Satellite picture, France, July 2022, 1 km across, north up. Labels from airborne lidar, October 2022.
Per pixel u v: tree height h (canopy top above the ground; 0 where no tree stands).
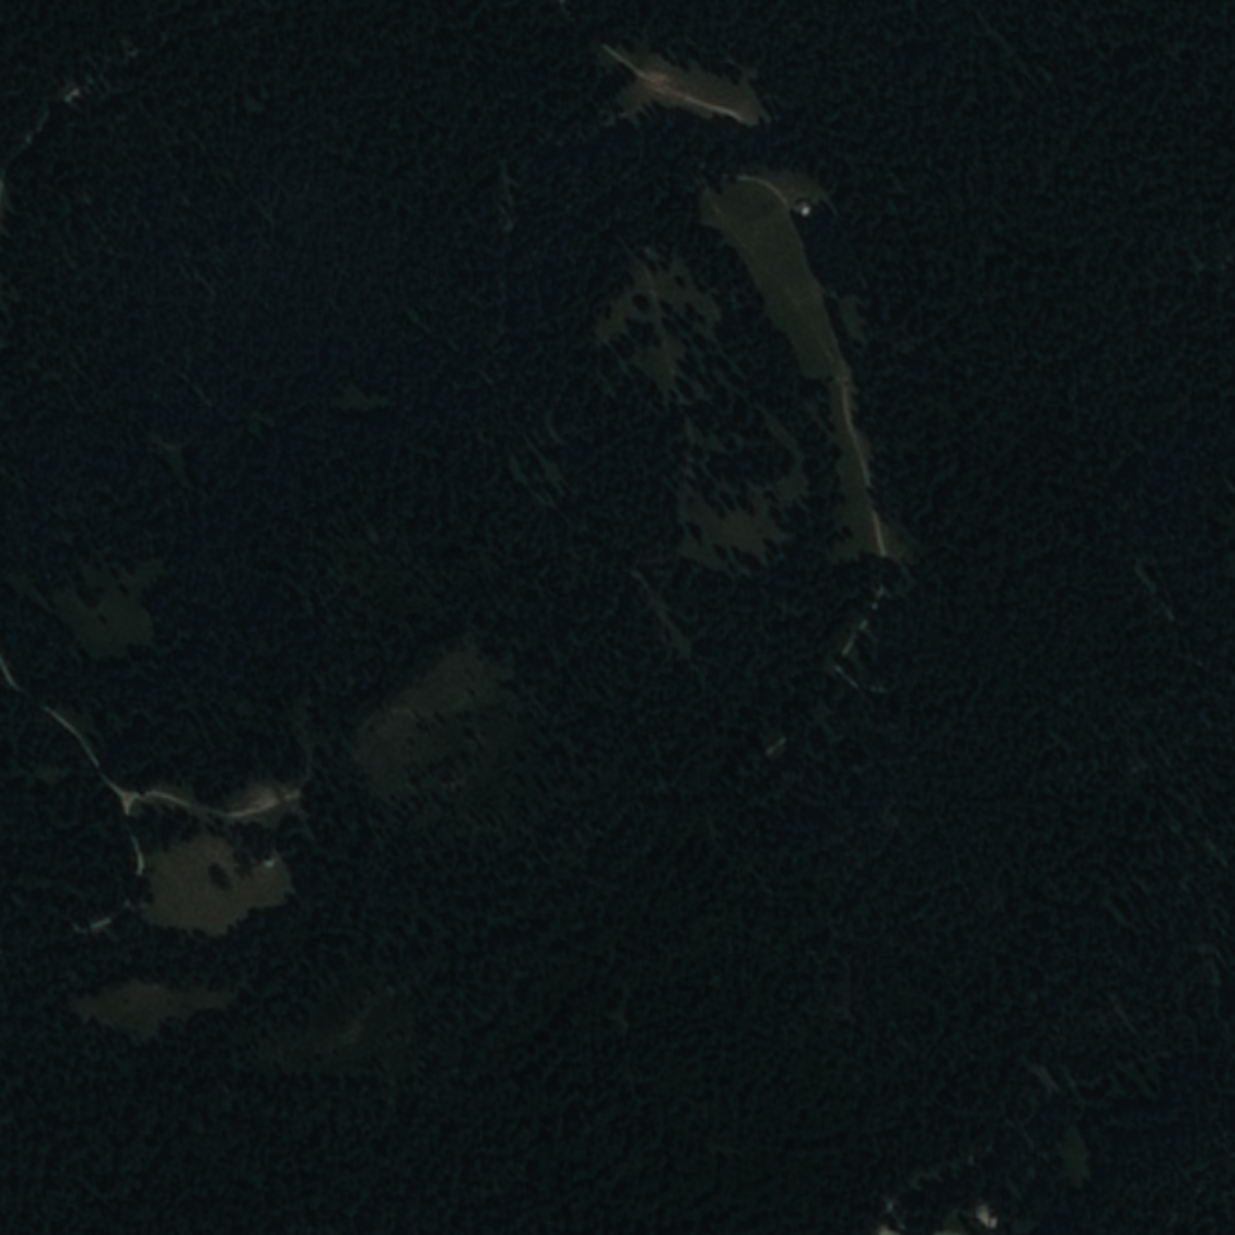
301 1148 24
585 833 12
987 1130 17
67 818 14
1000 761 18
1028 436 16
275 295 27
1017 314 22
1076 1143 0
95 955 20
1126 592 19
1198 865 27
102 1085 15
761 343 27
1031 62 29
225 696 22
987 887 16
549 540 29
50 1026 26
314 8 18
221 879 18
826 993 22
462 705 0
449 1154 27
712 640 14
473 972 13
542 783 18
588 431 21
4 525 16
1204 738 13
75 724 0
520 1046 12
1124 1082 15
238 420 22
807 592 32
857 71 26
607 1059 21
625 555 30
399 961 21
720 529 0
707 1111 7
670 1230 22
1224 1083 27
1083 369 12
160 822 8
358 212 23
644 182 25
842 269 26
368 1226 35
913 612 23
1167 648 17
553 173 27
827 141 29
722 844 13
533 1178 26
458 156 8
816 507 23
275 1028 9
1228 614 22
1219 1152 21
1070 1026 23
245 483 19
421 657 15
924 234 29
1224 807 22
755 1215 21
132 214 25
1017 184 28
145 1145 18
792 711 14
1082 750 17
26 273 14
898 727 14
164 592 17
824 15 20
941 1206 19
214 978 19
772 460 24
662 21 15
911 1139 23
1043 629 19
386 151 24
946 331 24
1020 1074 16
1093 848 22
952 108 25
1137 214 21
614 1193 15
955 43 16
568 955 15
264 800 0
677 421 19
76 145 20
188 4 18
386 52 16
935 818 10
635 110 0
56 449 22
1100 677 19
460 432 25
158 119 10
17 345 17
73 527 20
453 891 8
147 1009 0
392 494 11
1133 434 27
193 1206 25
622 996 9
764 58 25
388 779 0
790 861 13
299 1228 20
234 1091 20
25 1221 32
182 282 23
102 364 12
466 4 17
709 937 6
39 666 20
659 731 16
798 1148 16
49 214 26
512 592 22
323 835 13
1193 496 23
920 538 23
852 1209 19
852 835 24
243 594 24
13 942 21
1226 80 9
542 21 7
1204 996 20
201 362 22
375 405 0
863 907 17
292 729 7
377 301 24
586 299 24
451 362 16
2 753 18
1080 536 10
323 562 9
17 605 21
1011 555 22
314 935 9
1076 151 13
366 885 22
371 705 16
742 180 0
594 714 26
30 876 8
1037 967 7
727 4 25
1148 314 19
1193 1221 19
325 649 20
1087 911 25
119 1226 19
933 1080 20
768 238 0
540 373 30
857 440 0
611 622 31
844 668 26
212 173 12
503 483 18
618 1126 18
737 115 0
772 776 13
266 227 25
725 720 13
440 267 28
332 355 19
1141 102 10
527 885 13
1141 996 16
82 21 12
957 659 15
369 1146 24
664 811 14
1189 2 14
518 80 23
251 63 23
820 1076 7
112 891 19
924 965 11
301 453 25
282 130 22
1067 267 23
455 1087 28
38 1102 31
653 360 0
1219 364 22
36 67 17
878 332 20
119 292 26
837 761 6
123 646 0
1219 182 15
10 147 13
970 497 13
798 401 17
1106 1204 9
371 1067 9
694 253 24
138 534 20
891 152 20
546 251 23
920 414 20
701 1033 9
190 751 20
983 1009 23
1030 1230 0
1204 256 23
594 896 15
